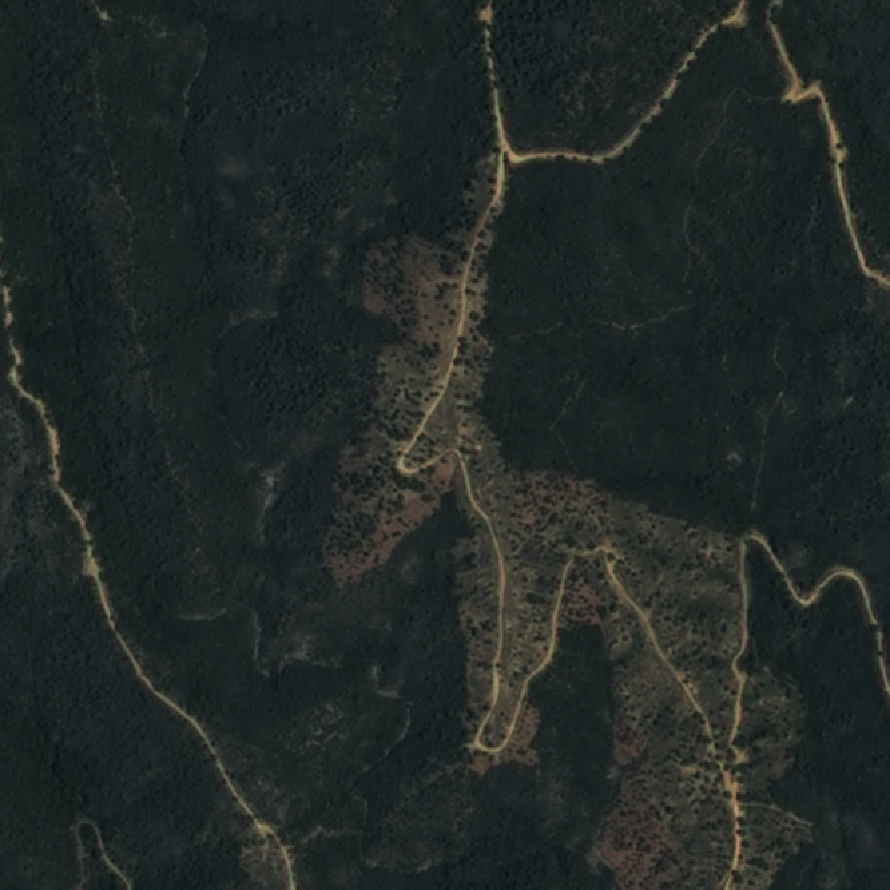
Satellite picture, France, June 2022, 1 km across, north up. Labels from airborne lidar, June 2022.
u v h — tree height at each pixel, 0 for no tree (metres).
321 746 6
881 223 6
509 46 12
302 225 9
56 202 13
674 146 7
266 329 10
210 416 8
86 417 16
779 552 13
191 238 7
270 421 11
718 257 8
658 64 10
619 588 0
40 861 6
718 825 7
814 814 10
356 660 6
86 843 8
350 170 10
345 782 11
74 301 10
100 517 7
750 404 12
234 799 6
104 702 10
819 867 11
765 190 8
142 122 5
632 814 8
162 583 7
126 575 11
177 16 7
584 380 9
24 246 6
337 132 6
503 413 10
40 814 10
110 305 6
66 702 7
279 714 6
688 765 8
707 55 7
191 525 8
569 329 7
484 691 0
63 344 7
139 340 7
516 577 0
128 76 7
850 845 9
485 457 0
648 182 7
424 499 8
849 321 10
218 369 7
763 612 7
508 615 0
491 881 7
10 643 6
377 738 8
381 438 0
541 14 14
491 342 6
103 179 7
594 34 8
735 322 7
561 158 9
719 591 0
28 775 7
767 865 8
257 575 10
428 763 9
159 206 10
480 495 0
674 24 14
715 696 0
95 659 7
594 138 7
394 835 9
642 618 0
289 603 6
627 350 9
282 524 6
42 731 14
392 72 7
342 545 8
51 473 8
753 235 6
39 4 8
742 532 7
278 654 7
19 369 8
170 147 6
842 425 9
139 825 11
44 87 9
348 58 8
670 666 0
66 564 7
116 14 5
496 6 12
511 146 0
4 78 10
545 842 7
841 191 0
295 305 13
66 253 7
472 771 7
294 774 5
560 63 8
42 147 6
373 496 8
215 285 9
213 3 6
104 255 7
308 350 11
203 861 7
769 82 6
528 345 7
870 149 7
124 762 7
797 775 10
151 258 7
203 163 7
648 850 6
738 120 6
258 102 11
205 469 7
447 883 10
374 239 6
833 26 6
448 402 0
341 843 10
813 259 9
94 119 6
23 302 6
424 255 0
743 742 11
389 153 12
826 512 13
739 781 6
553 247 6
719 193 9
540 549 6
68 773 14
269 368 8
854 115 8
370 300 0
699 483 14
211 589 8
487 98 10
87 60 7
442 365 0
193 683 6
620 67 8
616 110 8
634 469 5
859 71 8
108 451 9
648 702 0
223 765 0
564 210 6
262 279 6
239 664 8
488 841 8
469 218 12
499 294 5
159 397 8
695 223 8
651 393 6
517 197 6
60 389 10
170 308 11
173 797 9
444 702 7
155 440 7
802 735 12
